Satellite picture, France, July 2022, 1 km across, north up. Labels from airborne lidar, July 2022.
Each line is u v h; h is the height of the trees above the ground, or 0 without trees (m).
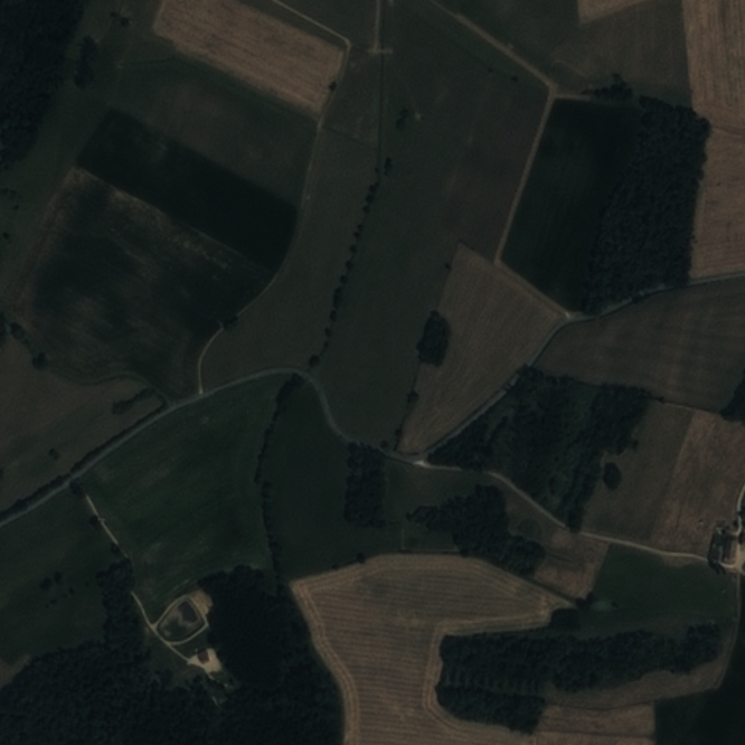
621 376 0
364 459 16
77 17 11
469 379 0
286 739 18
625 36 0
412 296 0
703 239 0
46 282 0
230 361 0
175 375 0
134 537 0
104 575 11
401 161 0
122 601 18
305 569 0
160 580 0
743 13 0
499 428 8
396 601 0
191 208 0
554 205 0
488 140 0
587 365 0
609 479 17
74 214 0
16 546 0
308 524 0
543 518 0
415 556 0
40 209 0
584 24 0
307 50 0
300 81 0
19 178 0
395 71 0
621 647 19
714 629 12
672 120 24
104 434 0
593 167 0
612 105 0
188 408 0
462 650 23
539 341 0
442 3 0
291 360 0
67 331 0
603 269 25
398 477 0
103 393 0
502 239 0
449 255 0
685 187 20
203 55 0
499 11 0
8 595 0
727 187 0
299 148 0
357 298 0
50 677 11
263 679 19
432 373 0
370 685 0
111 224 0
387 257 0
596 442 11
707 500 0
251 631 20
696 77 0
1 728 25
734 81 0
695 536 0
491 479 0
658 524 0
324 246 0
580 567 0
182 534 0
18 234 0
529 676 10
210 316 0
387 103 0
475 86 0
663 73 0
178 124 0
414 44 0
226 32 0
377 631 0
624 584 0
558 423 8
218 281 0
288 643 25
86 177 0
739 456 0
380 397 0
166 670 0
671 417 0
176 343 0
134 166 0
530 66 0
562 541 0
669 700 0
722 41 0
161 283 0
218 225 0
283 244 0
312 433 0
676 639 0
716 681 0
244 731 21
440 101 0
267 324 0
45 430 0
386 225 0
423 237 0
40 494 9
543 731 0
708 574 0
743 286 0
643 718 0
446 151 0
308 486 0
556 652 23
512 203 0
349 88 0
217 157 0
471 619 0
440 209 0
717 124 0
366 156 0
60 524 0
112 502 0
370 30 0
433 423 0
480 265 0
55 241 0
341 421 0
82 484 17
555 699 0
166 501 0
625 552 0
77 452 0
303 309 0
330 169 0
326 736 25
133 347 0
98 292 0
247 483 0
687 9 0
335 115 0
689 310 0
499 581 0
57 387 0
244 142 0
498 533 20
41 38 31
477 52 0
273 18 0
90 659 18
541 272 0
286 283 0
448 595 0
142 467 0
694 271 0
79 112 0
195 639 0
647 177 14
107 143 0
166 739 15
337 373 0
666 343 0
